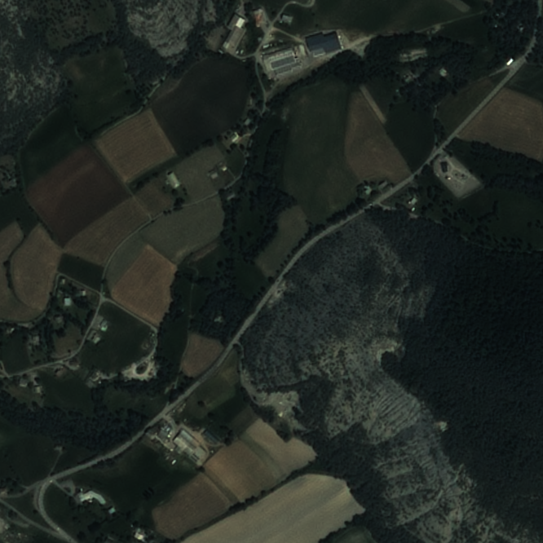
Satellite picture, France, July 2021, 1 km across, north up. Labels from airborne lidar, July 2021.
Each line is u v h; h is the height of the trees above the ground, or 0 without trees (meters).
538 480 11
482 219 14
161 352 15
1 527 0
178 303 15
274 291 0
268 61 0
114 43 12
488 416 18
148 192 0
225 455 0
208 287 16
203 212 0
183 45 0
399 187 0
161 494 0
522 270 20
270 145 9
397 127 0
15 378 6
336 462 12
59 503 0
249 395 8
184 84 0
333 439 7
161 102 0
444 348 15
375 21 0
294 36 0
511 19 14
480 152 16
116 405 0
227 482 0
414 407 0
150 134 0
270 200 11
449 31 0
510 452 18
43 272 0
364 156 0
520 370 22
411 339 11
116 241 0
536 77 0
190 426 0
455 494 0
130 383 11
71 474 0
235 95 0
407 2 0
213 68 0
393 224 8
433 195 13
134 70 12
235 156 0
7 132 7
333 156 0
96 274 0
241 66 0
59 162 0
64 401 0
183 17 0
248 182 7
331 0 0
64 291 11
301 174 0
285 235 0
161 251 0
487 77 0
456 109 0
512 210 0
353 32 0
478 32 0
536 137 0
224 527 0
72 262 0
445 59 12
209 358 0
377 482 6
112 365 0
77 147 0
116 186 0
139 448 0
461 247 19
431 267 16
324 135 0
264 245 16
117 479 0
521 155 16
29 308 0
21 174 7
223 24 7
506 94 0
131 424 20
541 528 7
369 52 13
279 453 0
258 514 0
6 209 0
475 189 0
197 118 0
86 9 8
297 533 0
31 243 0
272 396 0
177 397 11
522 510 9
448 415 9
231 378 0
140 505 0
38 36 10
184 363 0
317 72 22
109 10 0
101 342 7
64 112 0
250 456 0
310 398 7
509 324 23
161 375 22
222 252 0
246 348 6
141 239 0
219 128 0
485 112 0
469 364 17
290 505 0
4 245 0
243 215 0
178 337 0
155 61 11
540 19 15
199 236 0
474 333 25
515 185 22
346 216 15
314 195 0
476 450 13
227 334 10
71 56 10
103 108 0
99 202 0
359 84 14
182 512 0
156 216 0
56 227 0
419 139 0
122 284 0
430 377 16
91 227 0
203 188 0
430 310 10
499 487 9
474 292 21
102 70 0
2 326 11
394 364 6
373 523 13
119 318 0
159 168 0
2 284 0
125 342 0
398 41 13
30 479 0
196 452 0
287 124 0
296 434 10
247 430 0
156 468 0
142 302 0
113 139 0
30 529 0
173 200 0
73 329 0
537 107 0
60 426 19
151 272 0
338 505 0
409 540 6
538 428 18
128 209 0
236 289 13
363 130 0
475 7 0
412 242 9
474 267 18
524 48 9
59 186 0
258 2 0
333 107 0
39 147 0
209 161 0
